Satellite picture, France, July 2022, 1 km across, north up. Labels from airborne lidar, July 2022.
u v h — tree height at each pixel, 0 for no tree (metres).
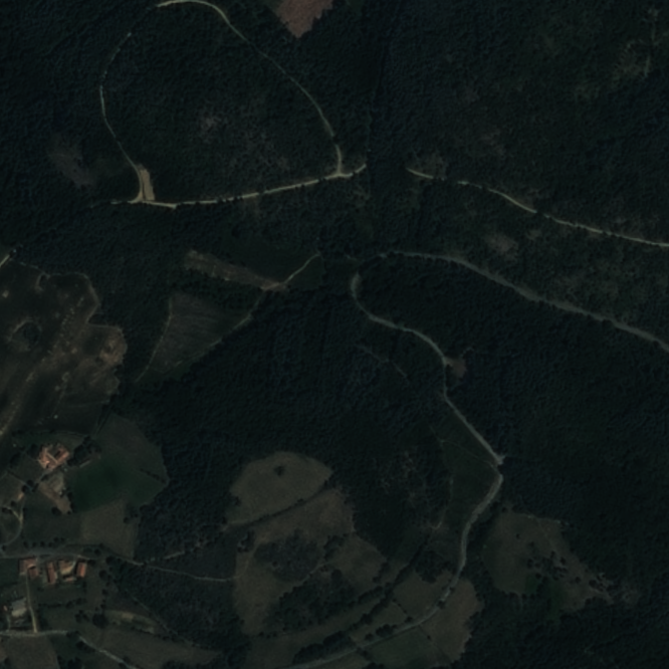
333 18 17
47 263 10
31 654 0
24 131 28
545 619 20
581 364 20
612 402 15
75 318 0
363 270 15
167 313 13
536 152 11
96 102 8
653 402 18
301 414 12
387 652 0
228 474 9
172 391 22
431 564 11
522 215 6
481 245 11
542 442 6
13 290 0
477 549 15
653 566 20
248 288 6
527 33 11
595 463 22
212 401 12
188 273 18
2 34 30
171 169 9
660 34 5
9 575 0
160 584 6
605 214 8
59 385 0
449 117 11
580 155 11
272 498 0
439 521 9
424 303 13
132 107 9
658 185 9
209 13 8
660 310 9
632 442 13
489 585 11
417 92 17
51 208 16
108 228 12
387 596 11
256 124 7
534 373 20
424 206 18
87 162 16
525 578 0
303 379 21
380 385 19
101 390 0
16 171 20
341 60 16
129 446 0
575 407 12
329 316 33
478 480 0
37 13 18
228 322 0
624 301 7
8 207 23
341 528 0
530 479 24
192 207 9
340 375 18
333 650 10
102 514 0
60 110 26
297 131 23
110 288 9
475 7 24
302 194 12
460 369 0
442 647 0
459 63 11
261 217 6
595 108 12
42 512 0
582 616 20
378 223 9
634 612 10
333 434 14
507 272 13
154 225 11
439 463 18
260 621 0
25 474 0
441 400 21
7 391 0
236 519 0
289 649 0
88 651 11
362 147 7
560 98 10
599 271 8
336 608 12
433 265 14
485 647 8
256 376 15
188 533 8
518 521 0
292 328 31
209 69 14
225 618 7
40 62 15
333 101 18
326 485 9
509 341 26
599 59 13
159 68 13
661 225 8
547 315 19
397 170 15
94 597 0
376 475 8
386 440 14
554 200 15
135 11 14
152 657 0
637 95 27
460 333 12
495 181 9
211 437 25
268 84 17
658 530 14
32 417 0
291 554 0
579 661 9
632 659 15
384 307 19
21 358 0
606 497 24
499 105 6
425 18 16
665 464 9
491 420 19
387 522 8
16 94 28
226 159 10
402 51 17
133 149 7
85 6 18
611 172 7
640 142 16
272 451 9
